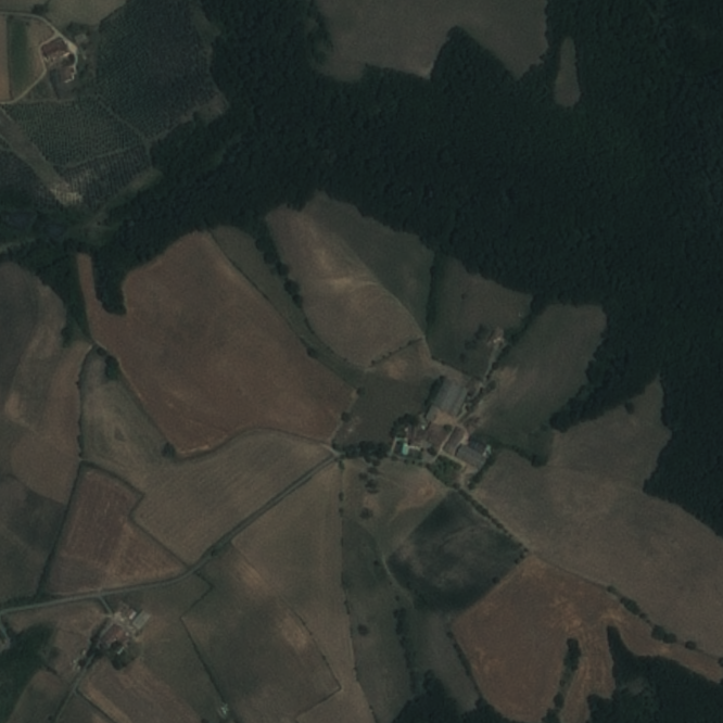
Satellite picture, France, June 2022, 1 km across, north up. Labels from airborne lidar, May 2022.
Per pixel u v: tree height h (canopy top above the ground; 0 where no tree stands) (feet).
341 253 0
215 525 0
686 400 82
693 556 0
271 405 0
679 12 27
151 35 42
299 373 0
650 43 29
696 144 68
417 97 53
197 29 40
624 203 90
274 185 59
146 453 0
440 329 0
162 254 31
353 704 0
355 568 0
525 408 0
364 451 35
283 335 0
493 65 63
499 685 0
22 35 0
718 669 0
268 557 0
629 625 0
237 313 0
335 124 76
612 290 57
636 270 66
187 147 49
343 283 0
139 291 0
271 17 83
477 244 76
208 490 0
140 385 0
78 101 19
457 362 0
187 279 0
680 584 0
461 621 0
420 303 0
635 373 60
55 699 0
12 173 35
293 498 0
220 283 0
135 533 0
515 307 0
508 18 0
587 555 0
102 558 0
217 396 0
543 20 0
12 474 0
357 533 0
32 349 0
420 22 0
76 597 0
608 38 67
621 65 65
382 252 0
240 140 22
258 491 0
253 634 0
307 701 0
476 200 93
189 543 0
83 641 0
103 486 0
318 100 64
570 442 0
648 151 73
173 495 0
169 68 39
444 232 92
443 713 77
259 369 0
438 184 103
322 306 0
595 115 40
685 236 87
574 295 60
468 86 70
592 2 62
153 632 0
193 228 42
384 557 0
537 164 67
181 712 0
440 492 0
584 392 44
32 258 57
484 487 0
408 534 0
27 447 0
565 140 48
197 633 0
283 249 0
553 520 0
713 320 76
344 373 0
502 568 0
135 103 34
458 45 61
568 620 0
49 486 0
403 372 0
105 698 0
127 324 0
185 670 0
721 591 0
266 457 0
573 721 0
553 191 100
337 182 83
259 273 0
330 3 0
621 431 0
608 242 92
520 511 0
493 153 73
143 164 33
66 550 0
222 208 71
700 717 45
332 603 0
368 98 58
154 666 0
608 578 0
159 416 0
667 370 44
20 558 0
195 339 0
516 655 0
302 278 0
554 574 0
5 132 0
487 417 0
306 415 0
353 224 0
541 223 83
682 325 65
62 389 0
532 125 57
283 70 58
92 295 0
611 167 60
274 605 0
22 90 0
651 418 0
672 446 47
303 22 49
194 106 29
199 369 0
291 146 84
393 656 0
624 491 0
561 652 0
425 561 0
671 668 64
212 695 0
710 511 55
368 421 0
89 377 0
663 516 0
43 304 0
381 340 0
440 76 57
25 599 18
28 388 0
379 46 0
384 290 0
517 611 0
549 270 47
